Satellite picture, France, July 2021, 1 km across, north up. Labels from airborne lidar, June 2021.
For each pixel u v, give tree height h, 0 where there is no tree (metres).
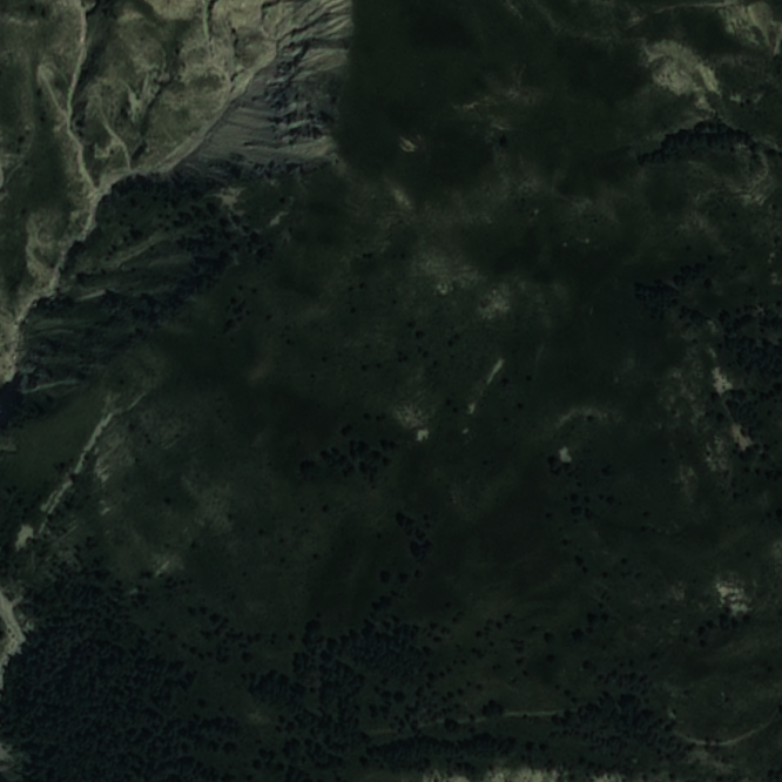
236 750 20
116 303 13
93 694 23
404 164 0
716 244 0
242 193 0
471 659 0
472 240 0
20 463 0
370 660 24
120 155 0
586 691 0
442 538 0
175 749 15
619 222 0
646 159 12
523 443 0
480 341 0
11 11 0
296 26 0
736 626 14
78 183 0
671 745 10
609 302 0
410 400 0
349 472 20
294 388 0
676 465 0
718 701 0
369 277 0
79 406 0
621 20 0
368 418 14
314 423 0
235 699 0
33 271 0
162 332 0
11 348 0
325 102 0
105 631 7
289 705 28
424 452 0
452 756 7
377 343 0
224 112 0
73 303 17
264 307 0
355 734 29
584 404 0
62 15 0
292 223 0
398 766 24
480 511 0
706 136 21
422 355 6
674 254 0
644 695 10
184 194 7
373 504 0
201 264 17
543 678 0
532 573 0
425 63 0
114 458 0
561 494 0
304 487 0
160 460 0
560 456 0
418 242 0
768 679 0
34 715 23
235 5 0
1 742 6
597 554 0
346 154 0
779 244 8
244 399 0
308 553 0
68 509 18
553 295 0
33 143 0
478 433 0
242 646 9
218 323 0
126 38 0
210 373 0
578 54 0
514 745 21
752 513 0
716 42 0
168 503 12
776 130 0
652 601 0
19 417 16
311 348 0
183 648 8
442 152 0
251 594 0
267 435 0
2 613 0
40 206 0
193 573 0
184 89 0
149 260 0
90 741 26
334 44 0
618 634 0
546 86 0
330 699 30
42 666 29
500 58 0
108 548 0
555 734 7
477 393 0
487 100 0
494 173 0
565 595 0
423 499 0
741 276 0
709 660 0
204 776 24
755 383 0
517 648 8
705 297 0
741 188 0
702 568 0
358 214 0
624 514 0
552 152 0
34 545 12
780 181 0
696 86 0
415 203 0
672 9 0
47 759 27
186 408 0
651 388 0
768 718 0
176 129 0
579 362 0
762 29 0
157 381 0
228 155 0
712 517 0
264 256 13
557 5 0
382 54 0
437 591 0
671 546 0
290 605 0
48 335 0
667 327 0
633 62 0
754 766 0
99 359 0
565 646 0
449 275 0
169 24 0
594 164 0
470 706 0
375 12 0
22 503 14
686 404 0
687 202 0
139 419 0
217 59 0
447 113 0
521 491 0
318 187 0
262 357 0
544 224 0
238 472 0
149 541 0
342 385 0
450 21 0
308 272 0
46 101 0
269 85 0
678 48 0
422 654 25
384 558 0
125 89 0
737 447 13
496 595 0
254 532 0
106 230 0
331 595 0
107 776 21
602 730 8
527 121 0
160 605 0
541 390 0
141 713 26
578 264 0
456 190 0
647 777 11
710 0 0
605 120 0
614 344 0
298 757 26
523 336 0
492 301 0
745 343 25
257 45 0
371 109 0
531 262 0
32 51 0
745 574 0
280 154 0
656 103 0
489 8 0
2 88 0
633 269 0
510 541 0
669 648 0
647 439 0
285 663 0
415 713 17
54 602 11
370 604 0
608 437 0
